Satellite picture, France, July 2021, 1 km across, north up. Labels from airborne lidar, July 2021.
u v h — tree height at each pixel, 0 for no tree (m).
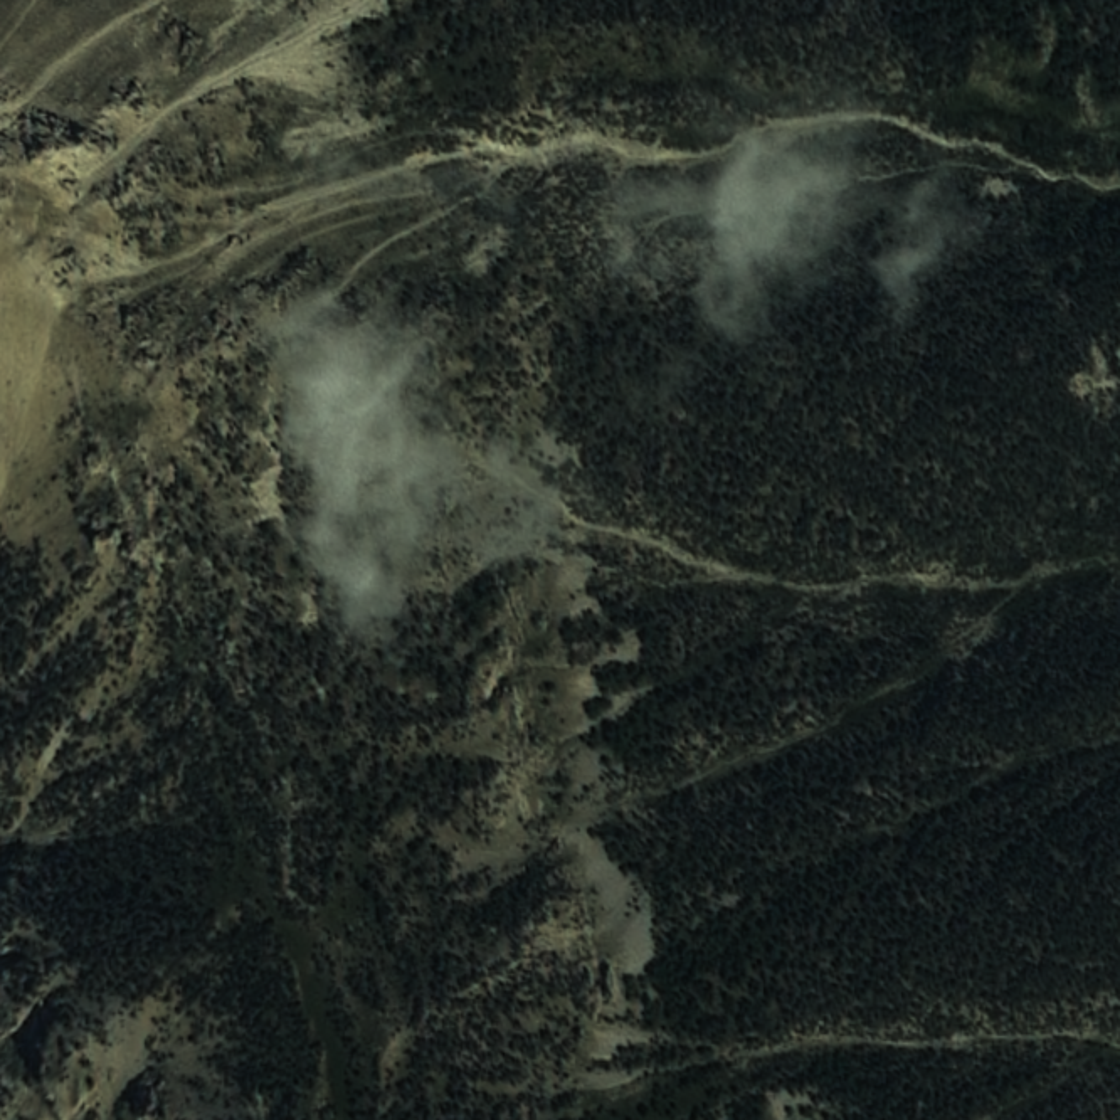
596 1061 7
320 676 14
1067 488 10
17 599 7
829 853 8
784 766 11
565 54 7
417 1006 7
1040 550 7
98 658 8
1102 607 10
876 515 10
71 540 0
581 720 0
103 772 6
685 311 9
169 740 10
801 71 6
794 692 10
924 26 13
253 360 8
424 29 0
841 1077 13
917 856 16
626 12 10
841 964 17
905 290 14
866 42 10
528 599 0
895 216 12
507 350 8
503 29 9
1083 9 14
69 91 0
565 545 10
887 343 13
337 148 0
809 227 6
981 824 14
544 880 7
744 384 12
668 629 11
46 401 0
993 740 18
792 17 13
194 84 0
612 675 16
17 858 7
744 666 14
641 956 0
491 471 0
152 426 0
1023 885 15
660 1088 12
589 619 9
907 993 14
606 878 0
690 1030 13
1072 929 15
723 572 0
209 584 6
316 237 0
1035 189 10
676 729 10
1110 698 9
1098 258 21
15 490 0
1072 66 11
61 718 9
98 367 0
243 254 0
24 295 0
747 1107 10
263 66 0
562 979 9
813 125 0
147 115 0
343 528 15
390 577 0
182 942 8
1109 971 10
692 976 15
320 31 0
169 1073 0
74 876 15
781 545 7
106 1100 0
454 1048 7
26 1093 0
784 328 13
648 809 6
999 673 15
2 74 0
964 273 13
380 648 7
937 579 0
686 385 9
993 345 16
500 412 10
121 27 0
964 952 12
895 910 14
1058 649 15
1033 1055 7
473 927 8
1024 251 11
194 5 0
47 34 0
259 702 7
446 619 9
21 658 10
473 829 10
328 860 15
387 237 0
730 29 12
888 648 15
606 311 13
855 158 10
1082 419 9
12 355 0
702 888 9
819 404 10
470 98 8
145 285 0
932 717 15
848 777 15
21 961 9
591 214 6
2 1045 0
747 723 15
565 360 6
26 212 0
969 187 7
